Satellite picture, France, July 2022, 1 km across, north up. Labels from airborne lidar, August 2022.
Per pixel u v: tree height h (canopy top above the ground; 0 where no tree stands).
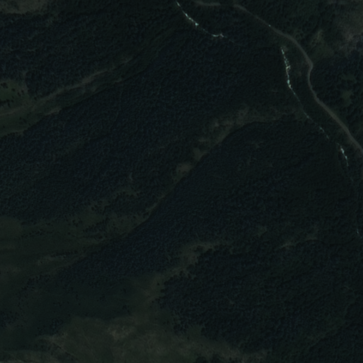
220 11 13
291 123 21
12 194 7
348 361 18
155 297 0
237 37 30
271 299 23
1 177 18
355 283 29
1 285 0
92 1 28
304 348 13
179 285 13
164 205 6
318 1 6
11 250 0
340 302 30
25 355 0
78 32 24
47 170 10
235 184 11
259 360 6
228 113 7
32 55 21
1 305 0
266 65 21
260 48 11
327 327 13
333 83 15
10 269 0
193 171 10
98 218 0
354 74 12
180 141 14
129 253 24
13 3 8
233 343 7
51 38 27
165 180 17
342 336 14
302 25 8
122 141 22
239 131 12
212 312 14
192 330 0
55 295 0
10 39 20
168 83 24
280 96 15
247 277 27
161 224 10
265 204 34
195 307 22
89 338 0
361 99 11
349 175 13
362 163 8
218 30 12
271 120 6
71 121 19
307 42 9
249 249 22
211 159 12
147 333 0
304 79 6
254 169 12
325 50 0
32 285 9
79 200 10
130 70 8
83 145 18
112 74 6
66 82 10
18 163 13
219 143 0
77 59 22
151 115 24
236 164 8
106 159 13
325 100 18
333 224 22
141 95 15
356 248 16
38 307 0
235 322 20
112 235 6
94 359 0
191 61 17
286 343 20
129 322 0
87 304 0
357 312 10
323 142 18
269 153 10
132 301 0
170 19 17
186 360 0
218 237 9
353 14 0
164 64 26
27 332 0
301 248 16
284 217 20
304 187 26
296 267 22
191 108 17
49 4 13
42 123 11
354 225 15
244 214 19
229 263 28
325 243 16
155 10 26
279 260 15
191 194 12
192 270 14
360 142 13
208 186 7
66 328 0
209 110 27
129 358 0
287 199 33
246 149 11
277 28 16
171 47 18
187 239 9
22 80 19
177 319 6
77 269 8
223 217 15
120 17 31
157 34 9
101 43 17
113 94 18
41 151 25
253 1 25
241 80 17
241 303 22
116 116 27
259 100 9
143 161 14
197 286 19
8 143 13
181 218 15
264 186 14
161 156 27
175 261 6
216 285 25
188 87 16
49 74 28
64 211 10
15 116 0
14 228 0
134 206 15
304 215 18
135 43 29
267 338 28
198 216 13
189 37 19
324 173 27
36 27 22
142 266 16
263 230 9
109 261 14
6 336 0
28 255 0
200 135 9
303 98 6
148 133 16
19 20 11
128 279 0
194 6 23
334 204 35
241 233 11
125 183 9
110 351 0
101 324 0
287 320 31
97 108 20
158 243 9
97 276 9
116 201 17
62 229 0
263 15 23
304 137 12
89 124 20
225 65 30
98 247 6
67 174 15
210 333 14
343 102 19
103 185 26
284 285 30
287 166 16
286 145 17
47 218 7
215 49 28
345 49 0
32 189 15
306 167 33
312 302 25
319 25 10
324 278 22
